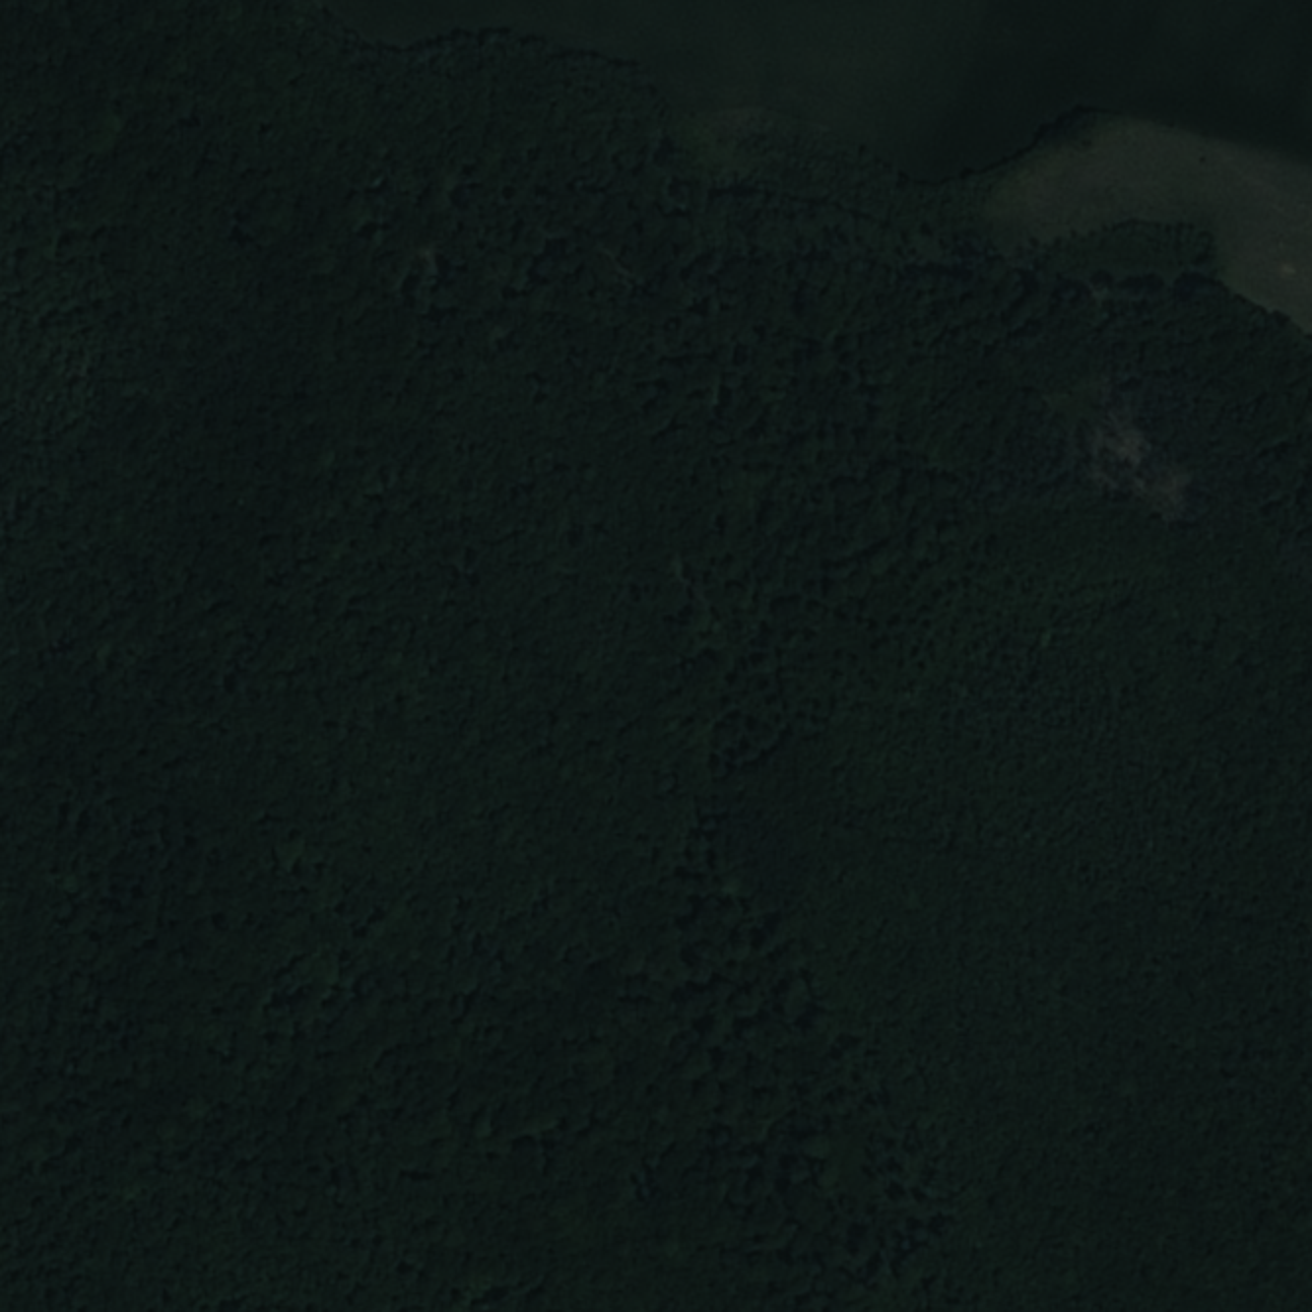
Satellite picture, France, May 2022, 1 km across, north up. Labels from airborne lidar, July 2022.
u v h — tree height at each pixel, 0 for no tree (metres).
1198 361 22
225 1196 18
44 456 13
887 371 21
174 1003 25
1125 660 16
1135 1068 16
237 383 21
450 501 20
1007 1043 15
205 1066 26
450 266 24
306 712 18
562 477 20
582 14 0
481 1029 22
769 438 23
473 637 22
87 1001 18
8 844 18
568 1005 26
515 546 17
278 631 19
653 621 21
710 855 6
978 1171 18
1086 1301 16
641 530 20
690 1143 26
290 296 27
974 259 28
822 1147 25
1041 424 33
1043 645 14
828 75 0
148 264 18
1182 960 17
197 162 24
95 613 21
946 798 12
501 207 22
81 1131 18
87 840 20
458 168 26
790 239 19
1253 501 20
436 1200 22
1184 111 0
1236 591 16
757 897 27
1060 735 9
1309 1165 18
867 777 12
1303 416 22
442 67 17
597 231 28
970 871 15
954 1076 16
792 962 24
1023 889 16
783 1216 23
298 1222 19
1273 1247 21
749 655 12
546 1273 24
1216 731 18
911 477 24
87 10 28
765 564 22
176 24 34
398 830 17
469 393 18
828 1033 23
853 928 20
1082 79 0
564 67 17
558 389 20
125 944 29
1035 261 9
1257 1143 16
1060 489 31
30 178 15
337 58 17
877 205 11
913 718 12
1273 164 0
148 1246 16
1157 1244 16
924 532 23
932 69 0
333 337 24
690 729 27
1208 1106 18
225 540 20
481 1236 25
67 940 23
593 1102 29
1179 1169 17
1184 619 17
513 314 22
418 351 20
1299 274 0
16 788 20
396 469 18
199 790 22
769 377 26
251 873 22
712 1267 21
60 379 14
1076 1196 17
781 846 27
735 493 27
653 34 0
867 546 20
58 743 23
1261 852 13
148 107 27
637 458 20
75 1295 18
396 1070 29
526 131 22
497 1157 24
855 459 14
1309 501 22
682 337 29
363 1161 20
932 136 0
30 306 15
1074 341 25
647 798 21
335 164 22
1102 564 12
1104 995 17
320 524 18
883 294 19
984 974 16
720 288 29
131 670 18
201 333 18
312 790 19
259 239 28
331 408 22
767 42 0
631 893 26
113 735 25
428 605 19
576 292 28
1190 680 17
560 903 25
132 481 18
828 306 23
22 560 19
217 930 28
